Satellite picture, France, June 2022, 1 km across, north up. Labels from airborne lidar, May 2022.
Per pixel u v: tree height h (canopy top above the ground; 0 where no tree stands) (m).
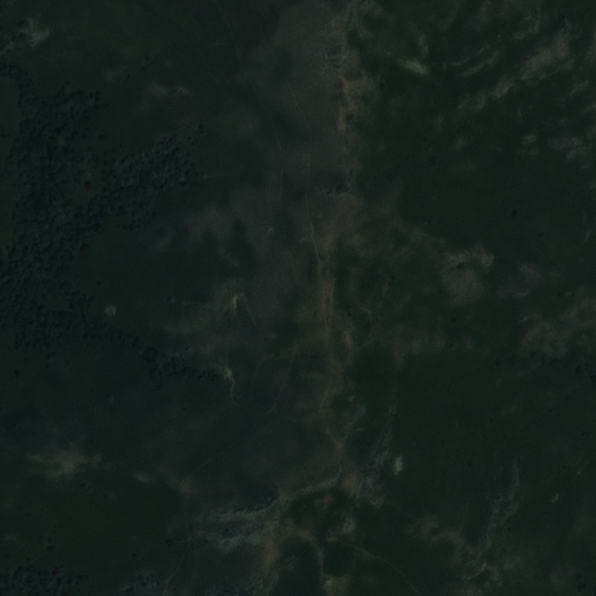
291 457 0
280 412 0
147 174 11
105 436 0
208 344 0
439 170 5
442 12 0
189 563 0
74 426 0
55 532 7
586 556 0
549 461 0
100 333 13
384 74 9
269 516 0
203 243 0
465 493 0
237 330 0
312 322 0
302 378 0
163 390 0
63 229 23
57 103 16
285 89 0
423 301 0
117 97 0
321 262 0
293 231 0
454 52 0
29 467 0
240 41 0
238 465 0
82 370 0
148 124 0
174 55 0
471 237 0
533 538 0
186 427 0
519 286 0
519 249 0
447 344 0
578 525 0
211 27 0
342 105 0
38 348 9
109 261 0
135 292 0
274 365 0
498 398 0
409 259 0
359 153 0
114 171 14
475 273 0
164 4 0
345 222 0
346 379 0
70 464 0
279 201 0
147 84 0
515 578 0
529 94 0
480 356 0
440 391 0
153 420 0
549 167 0
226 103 0
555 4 0
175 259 0
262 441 0
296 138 0
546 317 0
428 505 0
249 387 0
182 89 0
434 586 0
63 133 16
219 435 0
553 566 0
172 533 0
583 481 0
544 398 0
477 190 0
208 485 0
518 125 0
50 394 0
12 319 15
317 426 0
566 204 0
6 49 6
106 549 0
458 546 0
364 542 0
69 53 0
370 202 0
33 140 16
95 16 0
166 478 0
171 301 9
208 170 0
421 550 0
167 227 0
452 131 0
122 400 0
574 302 0
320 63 0
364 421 0
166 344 0
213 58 0
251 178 0
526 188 0
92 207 20
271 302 0
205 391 0
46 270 18
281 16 0
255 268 0
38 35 0
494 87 0
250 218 0
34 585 11
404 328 0
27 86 21
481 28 0
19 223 12
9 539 0
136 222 8
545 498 0
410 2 0
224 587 0
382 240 0
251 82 0
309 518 0
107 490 0
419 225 0
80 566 0
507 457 0
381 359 0
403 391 0
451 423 0
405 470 0
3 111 0
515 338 0
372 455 0
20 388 0
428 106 0
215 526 0
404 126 0
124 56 0
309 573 0
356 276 0
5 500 0
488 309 0
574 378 0
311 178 0
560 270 0
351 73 0
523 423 0
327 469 0
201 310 0
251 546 0
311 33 0
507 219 0
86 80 0
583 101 0
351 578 0
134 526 0
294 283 0
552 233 0
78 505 0
